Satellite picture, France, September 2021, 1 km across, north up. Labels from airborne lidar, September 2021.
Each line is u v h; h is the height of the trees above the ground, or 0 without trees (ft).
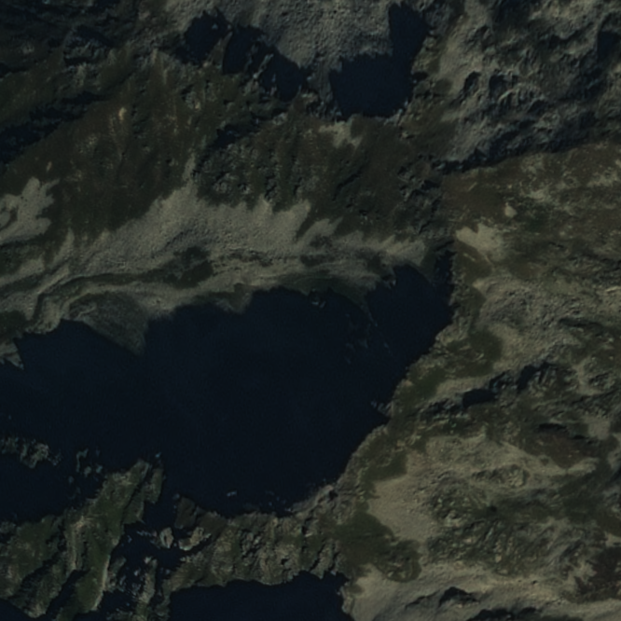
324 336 0
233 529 0
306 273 0
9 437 23
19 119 0
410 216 0
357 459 0
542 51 0
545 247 0
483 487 0
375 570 0
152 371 0
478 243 0
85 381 0
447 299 0
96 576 0
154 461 0
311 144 0
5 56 0
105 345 0
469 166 0
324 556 0
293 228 0
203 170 0
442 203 0
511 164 0
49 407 0
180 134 0
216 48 0
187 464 0
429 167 0
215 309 0
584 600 0
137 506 0
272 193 0
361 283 0
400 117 0
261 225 0
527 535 0
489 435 0
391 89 0
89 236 0
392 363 0
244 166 0
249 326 0
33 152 0
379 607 0
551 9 0
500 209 0
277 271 0
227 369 0
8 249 0
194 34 0
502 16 0
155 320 0
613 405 0
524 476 0
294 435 0
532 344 0
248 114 0
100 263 0
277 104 0
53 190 0
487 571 0
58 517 0
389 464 0
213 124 0
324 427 0
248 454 0
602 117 0
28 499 0
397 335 0
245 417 0
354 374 0
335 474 0
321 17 0
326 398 0
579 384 0
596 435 0
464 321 0
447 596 0
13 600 0
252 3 0
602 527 0
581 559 0
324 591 0
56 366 0
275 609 0
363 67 0
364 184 0
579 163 0
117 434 0
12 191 0
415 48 0
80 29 0
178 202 0
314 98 0
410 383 0
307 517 0
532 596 0
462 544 0
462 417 0
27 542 0
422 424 0
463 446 0
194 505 0
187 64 0
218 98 0
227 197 0
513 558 0
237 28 0
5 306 0
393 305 0
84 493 0
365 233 0
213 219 0
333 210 0
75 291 0
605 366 0
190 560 0
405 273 0
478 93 0
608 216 0
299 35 0
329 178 0
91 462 0
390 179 0
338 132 0
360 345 0
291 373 0
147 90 0
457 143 0
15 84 0
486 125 0
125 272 0
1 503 0
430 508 0
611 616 0
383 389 0
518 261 0
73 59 0
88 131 0
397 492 0
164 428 0
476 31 0
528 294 0
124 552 0
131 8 0
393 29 0
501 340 0
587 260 0
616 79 0
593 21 0
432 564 0
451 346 0
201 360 0
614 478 0
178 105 0
